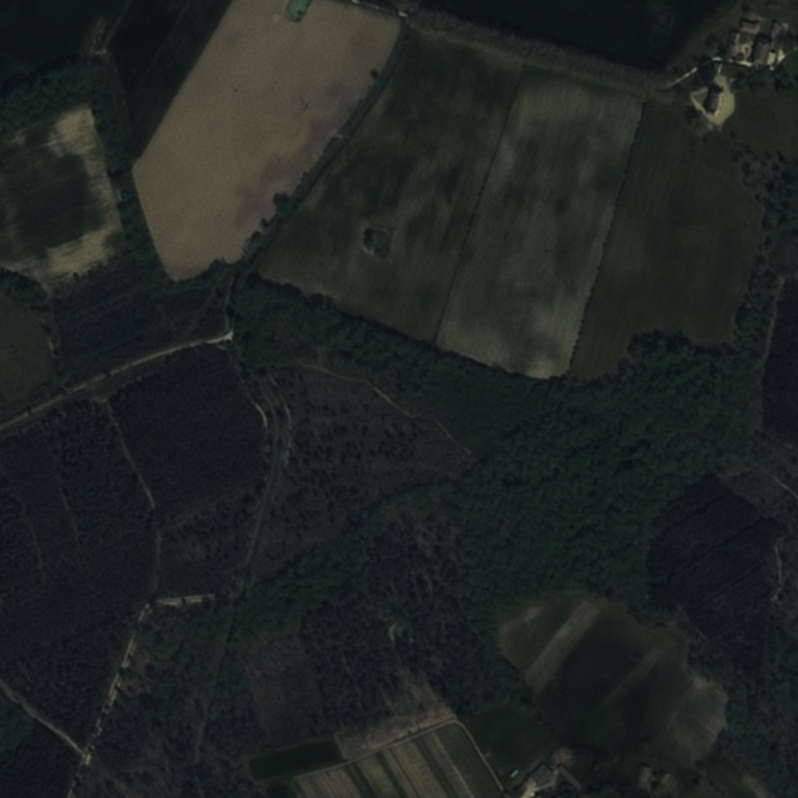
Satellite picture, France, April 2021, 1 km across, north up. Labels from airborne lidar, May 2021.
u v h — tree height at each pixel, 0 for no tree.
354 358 19
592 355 0
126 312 8
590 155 0
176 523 9
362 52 0
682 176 0
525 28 0
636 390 20
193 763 7
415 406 14
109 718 20
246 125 0
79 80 20
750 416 26
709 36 0
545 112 0
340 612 14
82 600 15
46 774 13
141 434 14
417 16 19
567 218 0
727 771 0
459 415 15
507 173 0
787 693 18
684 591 14
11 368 0
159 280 14
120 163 14
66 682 22
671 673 0
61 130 0
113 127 21
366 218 0
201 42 0
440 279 0
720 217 0
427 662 25
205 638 20
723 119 0
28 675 14
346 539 14
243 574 7
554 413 20
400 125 0
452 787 0
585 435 27
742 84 8
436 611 24
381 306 0
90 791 11
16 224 0
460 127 0
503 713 0
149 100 0
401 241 0
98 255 0
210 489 13
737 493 8
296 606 24
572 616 0
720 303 0
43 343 0
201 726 7
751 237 0
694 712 0
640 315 0
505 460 18
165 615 9
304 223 0
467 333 0
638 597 15
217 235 0
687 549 9
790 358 13
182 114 0
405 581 24
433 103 0
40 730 15
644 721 0
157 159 0
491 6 0
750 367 16
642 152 0
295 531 6
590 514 24
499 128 0
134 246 17
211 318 9
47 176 0
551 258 0
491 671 20
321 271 0
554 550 24
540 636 0
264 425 9
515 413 16
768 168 12
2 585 23
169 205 0
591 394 20
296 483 10
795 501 8
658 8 0
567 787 7
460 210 0
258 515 8
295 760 0
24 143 0
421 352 14
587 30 0
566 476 28
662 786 7
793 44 20
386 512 18
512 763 0
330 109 0
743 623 11
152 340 11
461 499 24
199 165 0
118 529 18
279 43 0
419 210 0
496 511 22
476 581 20
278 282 0
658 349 17
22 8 0
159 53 0
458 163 0
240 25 0
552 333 0
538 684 0
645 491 21
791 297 10
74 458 19
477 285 0
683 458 21
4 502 18
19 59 0
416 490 15
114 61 0
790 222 20
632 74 21
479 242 0
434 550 21
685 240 0
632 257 0
